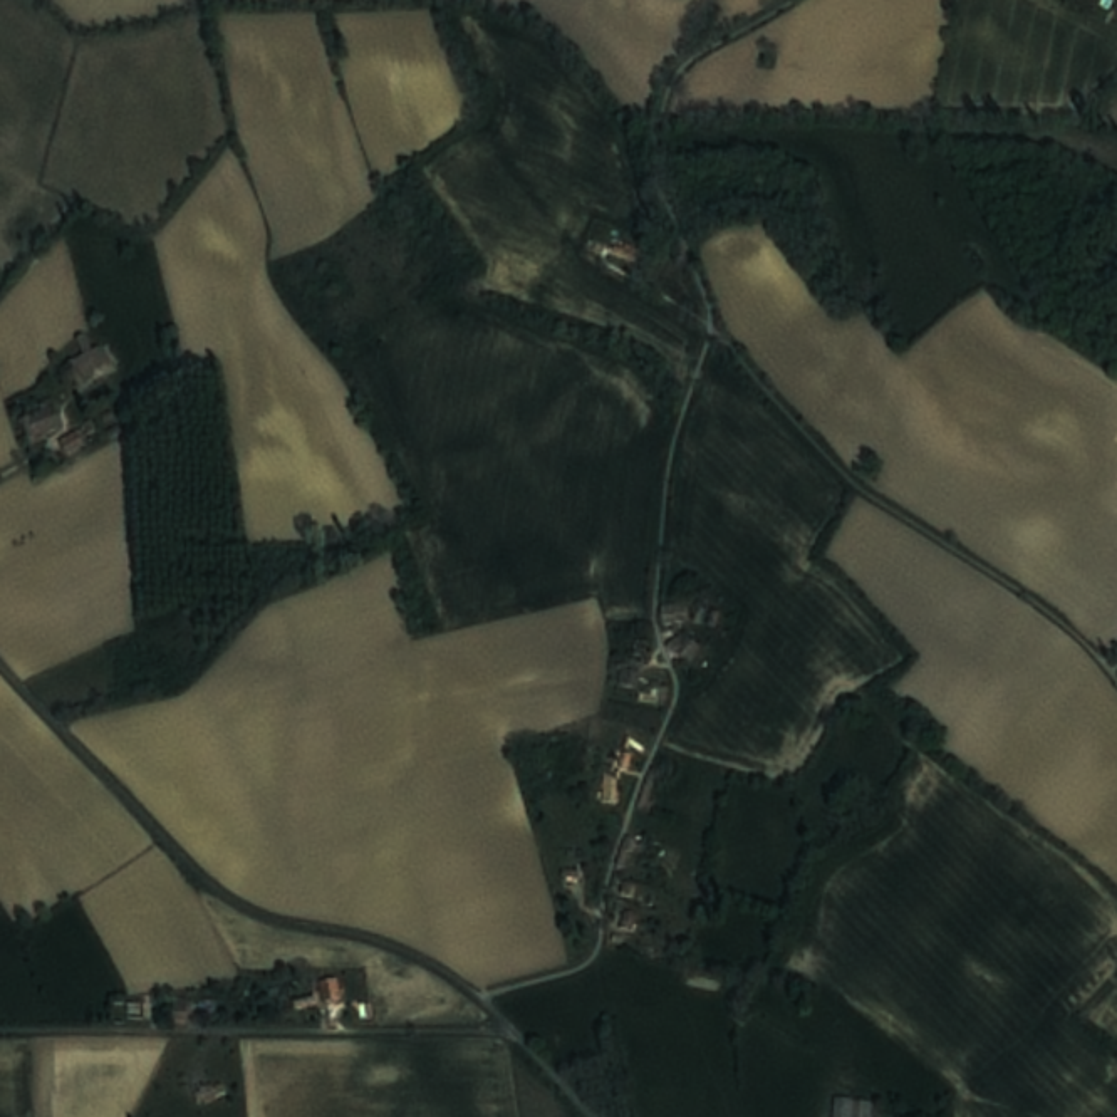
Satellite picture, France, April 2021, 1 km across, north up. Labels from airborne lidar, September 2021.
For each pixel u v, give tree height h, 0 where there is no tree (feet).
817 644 0
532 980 0
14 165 0
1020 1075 0
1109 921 0
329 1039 0
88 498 0
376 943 0
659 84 56
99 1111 0
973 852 0
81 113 0
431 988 0
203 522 87
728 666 0
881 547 0
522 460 0
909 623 0
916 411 0
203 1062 0
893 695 31
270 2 35
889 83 0
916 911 0
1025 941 0
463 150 0
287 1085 0
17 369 0
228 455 45
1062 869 0
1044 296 75
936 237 0
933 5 0
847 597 0
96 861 0
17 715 0
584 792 25
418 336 0
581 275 0
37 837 0
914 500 0
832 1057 0
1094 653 0
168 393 91
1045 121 45
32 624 0
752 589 0
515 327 0
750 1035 0
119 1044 0
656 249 71
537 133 0
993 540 0
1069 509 0
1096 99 44
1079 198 37
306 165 0
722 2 29
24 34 0
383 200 33
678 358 0
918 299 0
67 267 0
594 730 0
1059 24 0
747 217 49
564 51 65
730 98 0
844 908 0
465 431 0
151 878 0
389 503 0
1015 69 0
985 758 0
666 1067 0
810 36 0
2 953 0
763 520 0
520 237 0
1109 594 0
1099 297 77
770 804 0
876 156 0
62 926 0
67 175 0
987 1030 0
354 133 0
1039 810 0
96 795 0
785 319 0
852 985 0
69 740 0
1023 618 0
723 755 0
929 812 0
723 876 0
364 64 0
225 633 32
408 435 0
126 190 0
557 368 0
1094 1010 0
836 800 67
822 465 0
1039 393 0
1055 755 0
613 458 0
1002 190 61
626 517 0
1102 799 0
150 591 64
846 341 0
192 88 0
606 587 0
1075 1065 0
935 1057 0
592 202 0
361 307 0
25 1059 0
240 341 0
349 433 0
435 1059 0
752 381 32
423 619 32
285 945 0
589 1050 0
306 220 0
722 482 0
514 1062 0
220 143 25
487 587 0
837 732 45
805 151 0
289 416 0
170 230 0
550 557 0
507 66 0
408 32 0
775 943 64
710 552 0
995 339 0
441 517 0
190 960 0
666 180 79
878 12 0
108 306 0
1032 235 52
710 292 39
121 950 0
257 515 0
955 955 0
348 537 96
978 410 0
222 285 0
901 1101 39
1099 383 0
